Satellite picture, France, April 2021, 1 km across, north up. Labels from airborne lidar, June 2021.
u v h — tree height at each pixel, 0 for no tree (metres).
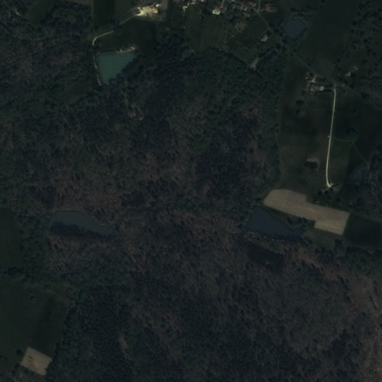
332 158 0
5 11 7
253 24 0
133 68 14
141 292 21
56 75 12
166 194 23
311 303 16
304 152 0
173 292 18
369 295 0
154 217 13
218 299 10
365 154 0
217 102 19
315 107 0
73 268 12
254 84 17
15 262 0
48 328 0
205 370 18
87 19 11
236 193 13
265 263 7
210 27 0
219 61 8
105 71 0
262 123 13
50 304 0
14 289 0
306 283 14
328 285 13
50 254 12
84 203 11
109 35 0
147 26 0
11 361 0
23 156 23
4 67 15
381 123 0
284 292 14
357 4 0
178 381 20
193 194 15
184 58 11
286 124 0
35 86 20
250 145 10
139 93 9
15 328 0
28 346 0
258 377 18
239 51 0
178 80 12
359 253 21
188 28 0
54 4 0
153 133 10
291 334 10
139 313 12
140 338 18
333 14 0
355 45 8
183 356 11
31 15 0
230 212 5
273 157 15
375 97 15
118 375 21
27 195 22
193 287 12
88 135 8
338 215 0
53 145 11
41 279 14
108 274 25
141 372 22
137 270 16
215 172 15
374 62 0
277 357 12
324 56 0
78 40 17
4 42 11
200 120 19
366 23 11
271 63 22
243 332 16
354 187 0
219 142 8
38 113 17
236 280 17
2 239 0
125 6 0
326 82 9
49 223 17
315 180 0
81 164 14
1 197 20
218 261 13
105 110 21
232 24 9
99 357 14
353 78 13
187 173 6
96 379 20
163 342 8
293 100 0
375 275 11
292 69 0
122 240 10
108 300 19
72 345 23
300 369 8
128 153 14
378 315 0
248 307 10
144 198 16
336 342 11
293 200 0
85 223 0
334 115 0
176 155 9
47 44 20
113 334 23
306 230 10
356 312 8
